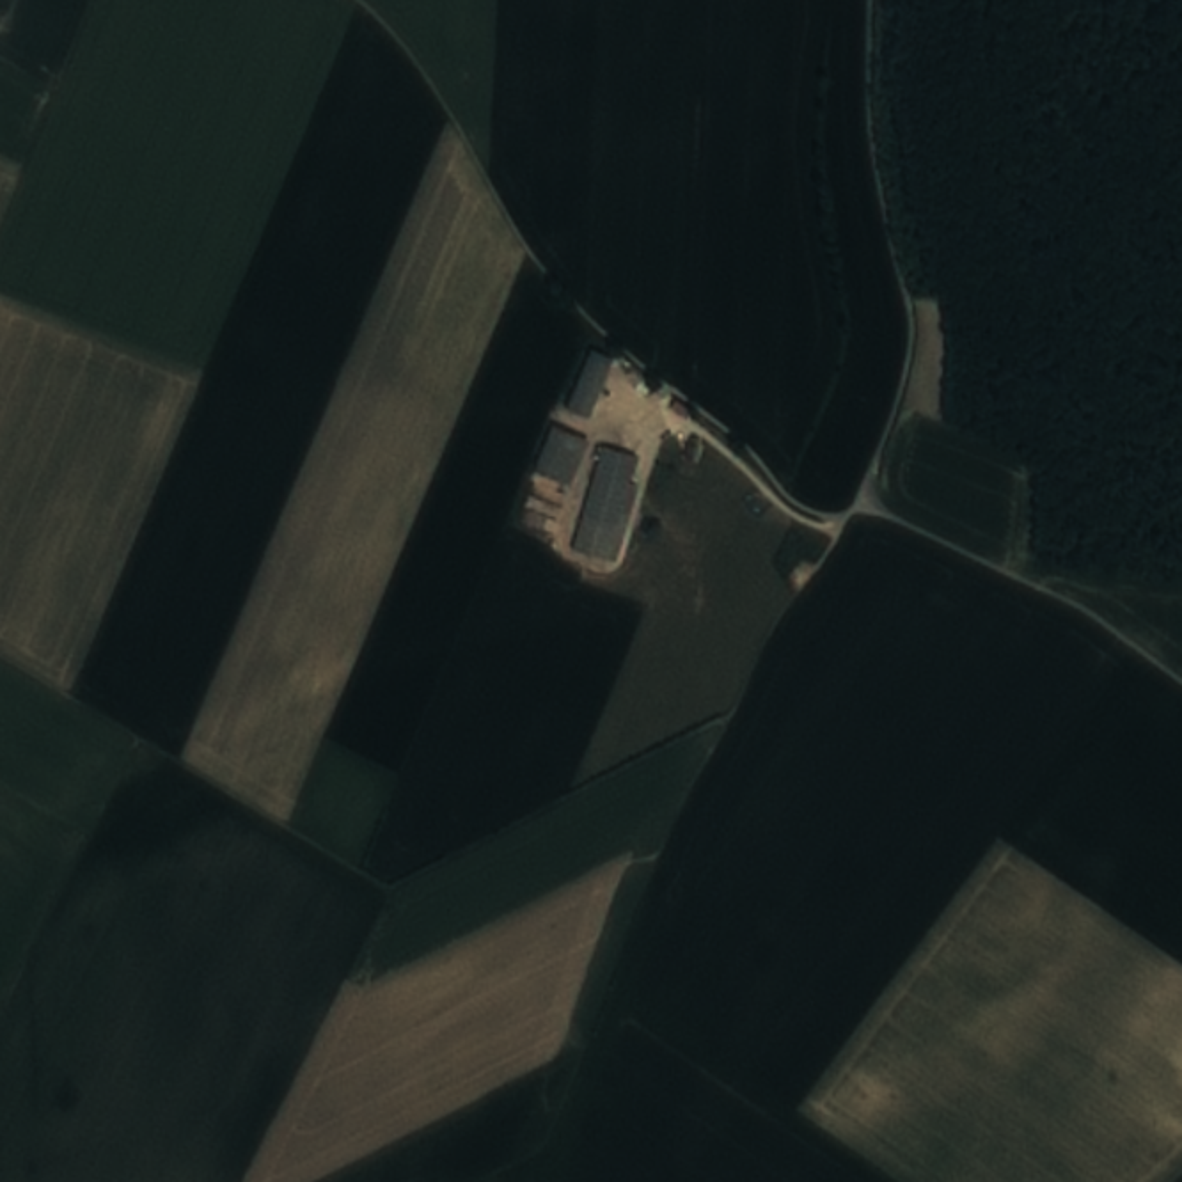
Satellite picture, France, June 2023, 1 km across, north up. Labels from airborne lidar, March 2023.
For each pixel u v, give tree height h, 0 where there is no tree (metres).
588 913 0
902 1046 0
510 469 0
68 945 0
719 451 0
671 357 0
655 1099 0
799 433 0
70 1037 0
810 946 0
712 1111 0
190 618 0
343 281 0
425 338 0
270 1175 0
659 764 0
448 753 0
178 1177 0
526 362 0
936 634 0
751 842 0
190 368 0
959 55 22
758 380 0
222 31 0
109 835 0
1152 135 25
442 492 0
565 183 0
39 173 0
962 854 0
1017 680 0
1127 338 26
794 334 0
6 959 0
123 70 0
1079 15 18
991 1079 0
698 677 0
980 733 0
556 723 0
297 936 0
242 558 0
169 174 0
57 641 0
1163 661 0
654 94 0
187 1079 0
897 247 9
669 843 0
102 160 0
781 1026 0
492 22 0
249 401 0
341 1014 0
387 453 0
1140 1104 0
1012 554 0
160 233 0
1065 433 21
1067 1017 0
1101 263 25
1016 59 22
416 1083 0
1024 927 0
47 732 0
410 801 0
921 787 0
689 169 0
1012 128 24
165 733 0
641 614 0
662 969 0
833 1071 0
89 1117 0
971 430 15
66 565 0
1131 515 16
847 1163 0
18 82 0
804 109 0
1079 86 23
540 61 0
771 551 0
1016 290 25
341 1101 0
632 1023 0
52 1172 0
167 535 0
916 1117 0
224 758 0
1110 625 0
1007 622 0
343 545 0
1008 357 23
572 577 0
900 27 22
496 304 0
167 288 0
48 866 0
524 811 0
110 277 0
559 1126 0
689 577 0
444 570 0
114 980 0
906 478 0
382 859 0
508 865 0
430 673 0
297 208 0
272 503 0
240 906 0
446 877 0
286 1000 0
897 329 0
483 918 0
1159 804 0
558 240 0
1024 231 23
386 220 0
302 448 0
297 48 0
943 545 0
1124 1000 0
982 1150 0
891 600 0
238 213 0
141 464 0
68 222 0
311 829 0
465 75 0
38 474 0
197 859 0
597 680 0
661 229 0
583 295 0
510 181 0
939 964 0
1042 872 0
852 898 0
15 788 0
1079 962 0
